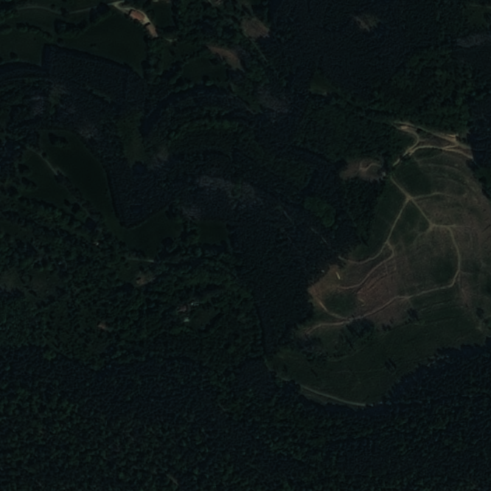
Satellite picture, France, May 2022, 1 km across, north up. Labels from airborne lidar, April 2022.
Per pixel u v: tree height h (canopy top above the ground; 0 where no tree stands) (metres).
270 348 24
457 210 0
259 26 0
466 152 0
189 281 16
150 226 0
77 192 21
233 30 31
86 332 11
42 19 0
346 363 0
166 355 16
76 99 28
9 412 30
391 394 0
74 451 31
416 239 0
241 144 14
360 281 0
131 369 25
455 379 30
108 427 25
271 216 34
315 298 0
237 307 10
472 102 34
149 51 12
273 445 23
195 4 7
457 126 28
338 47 32
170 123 10
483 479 22
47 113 20
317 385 0
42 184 0
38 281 0
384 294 0
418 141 0
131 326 18
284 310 21
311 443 13
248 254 27
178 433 27
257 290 25
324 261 36
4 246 21
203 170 21
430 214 0
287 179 12
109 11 22
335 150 15
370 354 0
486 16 0
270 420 25
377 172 0
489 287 0
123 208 32
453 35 9
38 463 34
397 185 0
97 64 23
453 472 22
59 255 6
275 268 25
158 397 18
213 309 15
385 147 11
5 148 14
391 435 29
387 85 19
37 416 30
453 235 0
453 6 13
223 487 25
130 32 0
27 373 18
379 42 32
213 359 13
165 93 17
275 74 20
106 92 27
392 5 31
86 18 0
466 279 0
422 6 16
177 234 0
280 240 32
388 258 0
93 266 22
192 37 9
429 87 19
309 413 31
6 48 0
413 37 14
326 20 17
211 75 0
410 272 0
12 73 22
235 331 17
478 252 0
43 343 22
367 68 26
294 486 33
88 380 30
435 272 0
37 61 0
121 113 35
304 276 34
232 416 21
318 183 29
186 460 34
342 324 0
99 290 27
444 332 0
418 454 19
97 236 23
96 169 0
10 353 27
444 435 23
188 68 0
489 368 33
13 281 0
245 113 27
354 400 0
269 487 28
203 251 21
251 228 27
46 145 0
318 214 31
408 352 0
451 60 17
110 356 16
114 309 15
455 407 17
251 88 13
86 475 26
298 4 33
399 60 28
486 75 27
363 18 27
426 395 25
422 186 0
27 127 19
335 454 21
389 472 20
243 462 24
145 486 33
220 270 28
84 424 28
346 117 11
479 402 24
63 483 37
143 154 0
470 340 0
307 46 33
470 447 21
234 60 0
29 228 22
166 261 19
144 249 0
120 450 17
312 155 28
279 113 39
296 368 0
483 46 27
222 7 0
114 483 33
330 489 28
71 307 12
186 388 28
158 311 19
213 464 25
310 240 35
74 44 0
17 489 28
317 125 17
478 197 0
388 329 9
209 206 37
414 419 19
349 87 33
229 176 14
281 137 37
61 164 0
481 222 0
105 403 26
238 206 31
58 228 8
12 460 25
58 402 31
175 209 32
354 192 16
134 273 0
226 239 0
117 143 7
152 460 28
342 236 35
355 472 19
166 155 0
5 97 15
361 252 0
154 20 8
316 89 0
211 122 24
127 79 28
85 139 17
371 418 32
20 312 23
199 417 28
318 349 34
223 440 24
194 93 31
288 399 33
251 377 26
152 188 26
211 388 26
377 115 25
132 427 17
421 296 0
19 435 31
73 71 24
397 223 0
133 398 25
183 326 20
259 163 12
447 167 0
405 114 19
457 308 0
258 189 33
